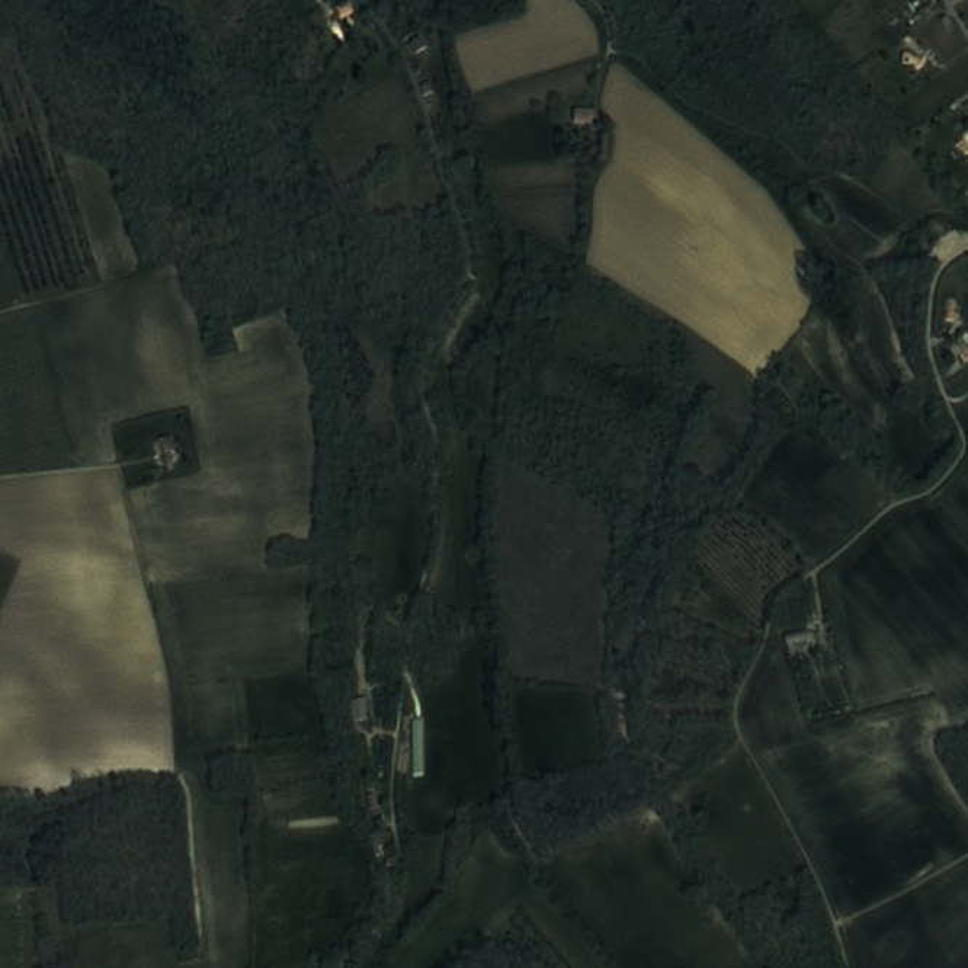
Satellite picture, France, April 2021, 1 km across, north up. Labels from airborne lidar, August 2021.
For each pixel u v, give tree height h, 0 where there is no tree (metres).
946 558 0
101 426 0
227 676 0
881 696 0
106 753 0
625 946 0
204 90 17
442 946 0
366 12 13
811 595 13
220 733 0
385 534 0
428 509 7
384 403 0
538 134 0
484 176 15
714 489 18
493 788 0
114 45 21
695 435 20
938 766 0
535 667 0
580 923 9
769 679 0
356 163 0
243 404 0
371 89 0
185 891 14
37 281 6
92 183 0
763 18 21
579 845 15
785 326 0
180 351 0
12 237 6
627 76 0
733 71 8
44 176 8
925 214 0
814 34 8
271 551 12
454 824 11
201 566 0
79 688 0
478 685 0
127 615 0
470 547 0
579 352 0
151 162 18
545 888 11
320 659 12
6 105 9
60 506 0
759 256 0
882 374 0
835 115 13
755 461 15
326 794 0
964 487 0
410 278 14
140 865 14
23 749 0
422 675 16
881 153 12
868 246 0
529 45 0
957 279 0
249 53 11
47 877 15
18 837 6
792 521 0
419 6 15
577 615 0
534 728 0
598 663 0
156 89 19
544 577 0
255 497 0
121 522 0
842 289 29
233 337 8
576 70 0
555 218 0
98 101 16
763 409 17
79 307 0
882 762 0
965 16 8
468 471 0
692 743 16
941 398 10
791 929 15
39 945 13
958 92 0
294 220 15
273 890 0
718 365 0
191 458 0
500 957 19
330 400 17
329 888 0
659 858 0
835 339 0
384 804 10
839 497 0
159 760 0
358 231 18
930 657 0
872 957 0
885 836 0
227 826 0
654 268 0
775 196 0
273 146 16
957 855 0
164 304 0
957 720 0
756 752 0
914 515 0
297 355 0
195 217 17
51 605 0
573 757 0
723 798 0
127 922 12
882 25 0
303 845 0
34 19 16
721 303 0
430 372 21
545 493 0
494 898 0
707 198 0
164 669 0
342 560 21
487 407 0
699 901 19
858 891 0
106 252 0
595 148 11
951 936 0
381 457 18
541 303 8
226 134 14
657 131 0
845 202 0
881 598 0
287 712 0
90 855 15
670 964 0
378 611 18
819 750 0
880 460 15
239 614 0
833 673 0
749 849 0
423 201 0
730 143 7
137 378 0
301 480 0
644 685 13
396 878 21
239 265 18
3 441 0
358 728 17
